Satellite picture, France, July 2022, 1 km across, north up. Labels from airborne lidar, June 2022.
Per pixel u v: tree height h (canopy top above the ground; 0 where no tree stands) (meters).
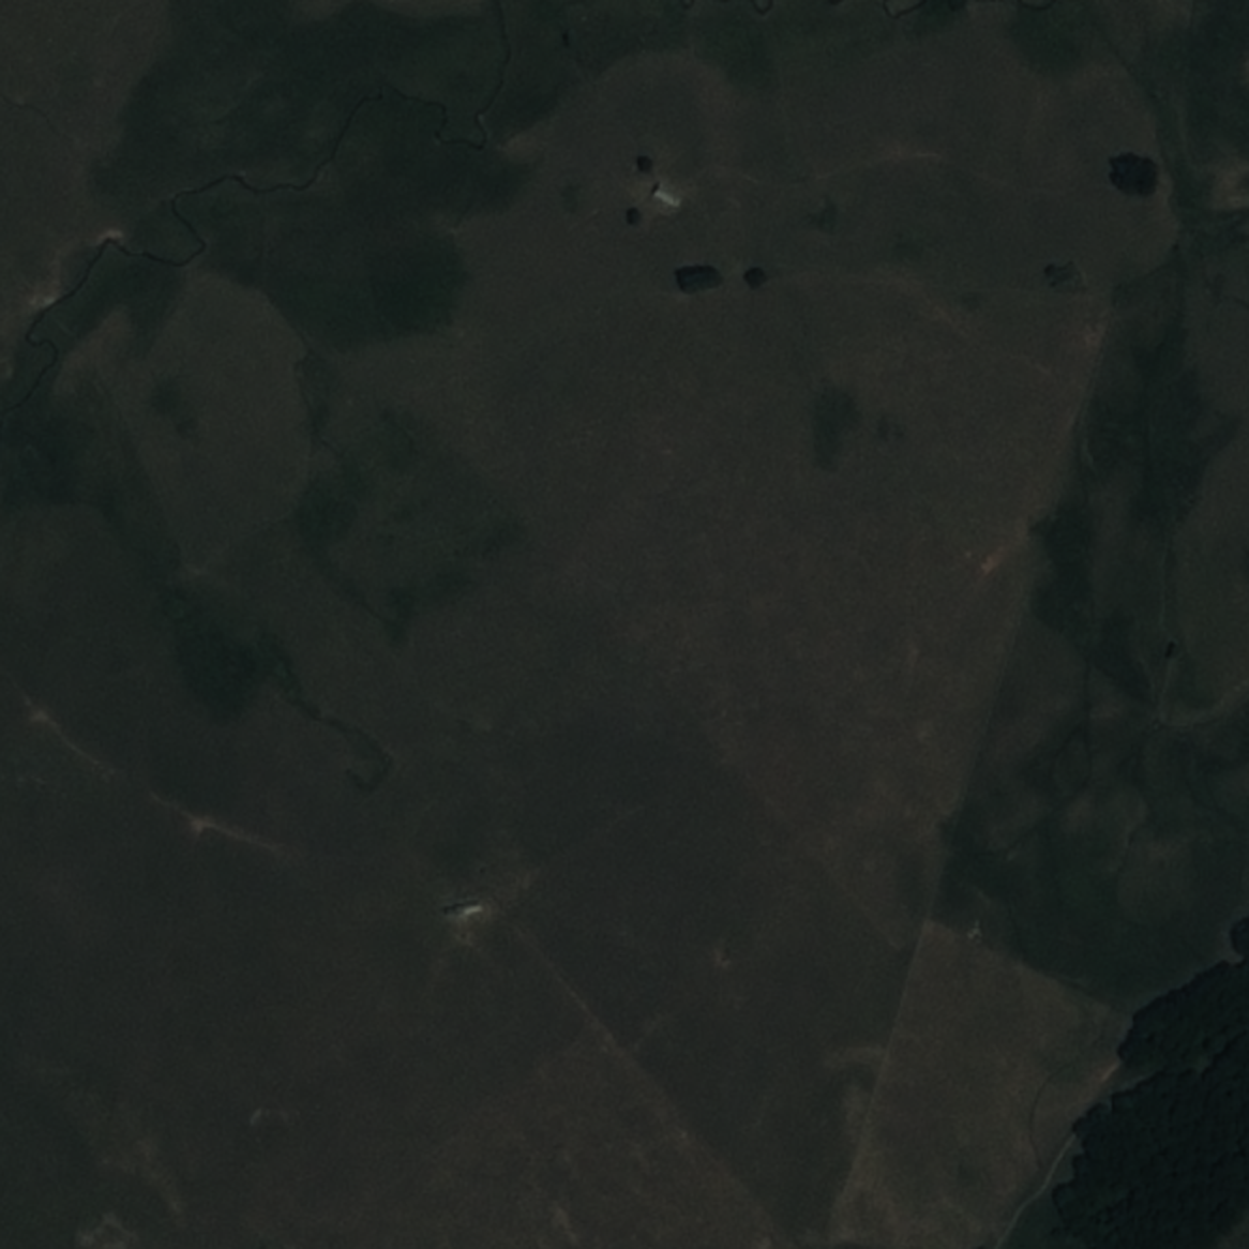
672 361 0
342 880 0
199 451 0
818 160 0
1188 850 0
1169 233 0
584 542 0
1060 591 0
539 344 0
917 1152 0
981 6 0
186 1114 0
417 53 0
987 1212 0
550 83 0
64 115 0
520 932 0
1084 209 0
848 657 0
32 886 0
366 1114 0
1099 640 0
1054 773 0
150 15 0
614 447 0
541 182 0
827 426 0
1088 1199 14
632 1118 0
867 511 0
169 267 0
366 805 0
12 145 0
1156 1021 18
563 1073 0
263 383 0
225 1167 0
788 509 0
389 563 0
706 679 0
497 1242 0
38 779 0
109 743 0
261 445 0
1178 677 0
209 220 0
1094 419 0
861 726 0
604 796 0
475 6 0
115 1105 0
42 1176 0
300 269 0
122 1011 0
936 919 0
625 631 0
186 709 0
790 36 0
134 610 0
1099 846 0
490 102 0
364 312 0
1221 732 0
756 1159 0
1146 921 0
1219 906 0
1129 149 0
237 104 0
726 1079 0
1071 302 0
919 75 0
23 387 0
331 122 0
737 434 0
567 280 0
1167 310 0
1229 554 0
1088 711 0
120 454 0
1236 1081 14
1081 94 0
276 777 0
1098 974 0
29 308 0
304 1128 0
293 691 0
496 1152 0
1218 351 0
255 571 0
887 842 0
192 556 0
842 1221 0
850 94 0
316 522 0
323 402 0
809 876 0
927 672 0
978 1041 0
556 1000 0
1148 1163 15
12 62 0
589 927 0
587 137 0
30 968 0
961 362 0
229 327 0
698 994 0
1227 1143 18
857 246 0
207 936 0
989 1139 0
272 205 0
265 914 0
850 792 0
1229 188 0
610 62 0
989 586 0
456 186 0
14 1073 0
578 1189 0
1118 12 0
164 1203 0
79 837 0
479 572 0
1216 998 15
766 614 0
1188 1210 17
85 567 0
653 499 0
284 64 0
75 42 0
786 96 0
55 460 0
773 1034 0
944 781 0
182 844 0
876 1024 0
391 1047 0
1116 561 0
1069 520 0
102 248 0
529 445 0
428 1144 0
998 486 0
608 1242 0
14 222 0
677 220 0
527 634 0
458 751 0
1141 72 0
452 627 0
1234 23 0
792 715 0
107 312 0
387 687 0
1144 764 0
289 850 0
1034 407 0
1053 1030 0
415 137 0
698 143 0
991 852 0
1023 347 0
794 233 0
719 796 0
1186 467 0
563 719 0
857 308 0
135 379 0
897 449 0
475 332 0
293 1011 0
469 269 0
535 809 0
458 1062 0
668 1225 0
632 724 0
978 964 0
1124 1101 16
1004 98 0
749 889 0
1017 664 0
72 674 0
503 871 0
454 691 0
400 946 0
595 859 0
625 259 0
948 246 0
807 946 0
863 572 0
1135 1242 15
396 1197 0
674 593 0
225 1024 0
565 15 0
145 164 0
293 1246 0
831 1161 0
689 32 0
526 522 0
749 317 0
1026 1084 0
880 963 0
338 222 0
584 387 0
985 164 0
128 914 0
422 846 0
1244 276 0
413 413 0
